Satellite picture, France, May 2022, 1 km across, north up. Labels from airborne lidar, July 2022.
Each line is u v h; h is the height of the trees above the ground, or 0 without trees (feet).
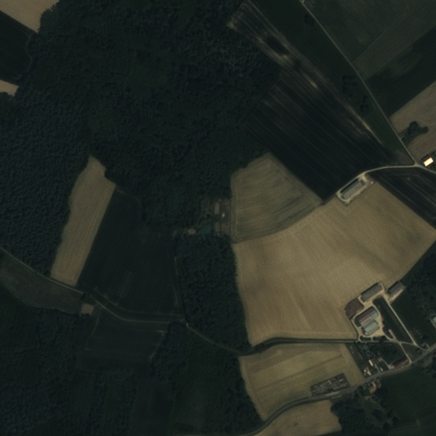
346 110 0
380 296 0
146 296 0
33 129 109
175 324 48
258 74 93
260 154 36
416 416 0
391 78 0
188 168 84
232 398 94
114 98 79
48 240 115
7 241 95
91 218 0
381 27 0
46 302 0
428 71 0
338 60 0
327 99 0
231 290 92
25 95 79
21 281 0
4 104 69
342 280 0
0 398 82
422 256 0
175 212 88
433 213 0
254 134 0
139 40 46
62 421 26
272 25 0
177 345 73
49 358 81
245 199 0
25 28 0
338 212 0
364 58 0
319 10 0
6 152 83
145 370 0
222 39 80
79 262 0
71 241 0
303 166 0
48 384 79
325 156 0
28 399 61
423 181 0
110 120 95
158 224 75
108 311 0
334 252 0
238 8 0
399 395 0
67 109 107
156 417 0
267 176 0
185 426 22
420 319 0
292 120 0
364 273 0
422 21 0
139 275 0
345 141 0
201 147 83
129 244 0
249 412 75
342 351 0
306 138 0
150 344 0
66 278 0
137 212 0
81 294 0
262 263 0
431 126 0
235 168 72
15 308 31
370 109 51
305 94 0
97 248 0
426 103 0
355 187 0
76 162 97
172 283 0
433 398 0
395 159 0
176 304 0
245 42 34
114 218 0
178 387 22
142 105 39
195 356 29
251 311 0
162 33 97
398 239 0
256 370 0
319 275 0
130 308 0
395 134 0
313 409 0
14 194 112
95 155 35
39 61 67
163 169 69
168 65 50
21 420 80
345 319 0
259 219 0
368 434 0
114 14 62
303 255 0
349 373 0
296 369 0
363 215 0
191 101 69
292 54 0
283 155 0
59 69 80
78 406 41
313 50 0
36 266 97
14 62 0
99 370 28
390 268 0
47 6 0
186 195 89
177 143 65
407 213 0
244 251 0
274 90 0
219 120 107
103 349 0
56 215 118
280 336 0
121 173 72
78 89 92
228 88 76
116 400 43
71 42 84
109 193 0
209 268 84
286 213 0
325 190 0
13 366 30
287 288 0
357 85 43
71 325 67
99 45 73
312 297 0
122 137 85
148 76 49
